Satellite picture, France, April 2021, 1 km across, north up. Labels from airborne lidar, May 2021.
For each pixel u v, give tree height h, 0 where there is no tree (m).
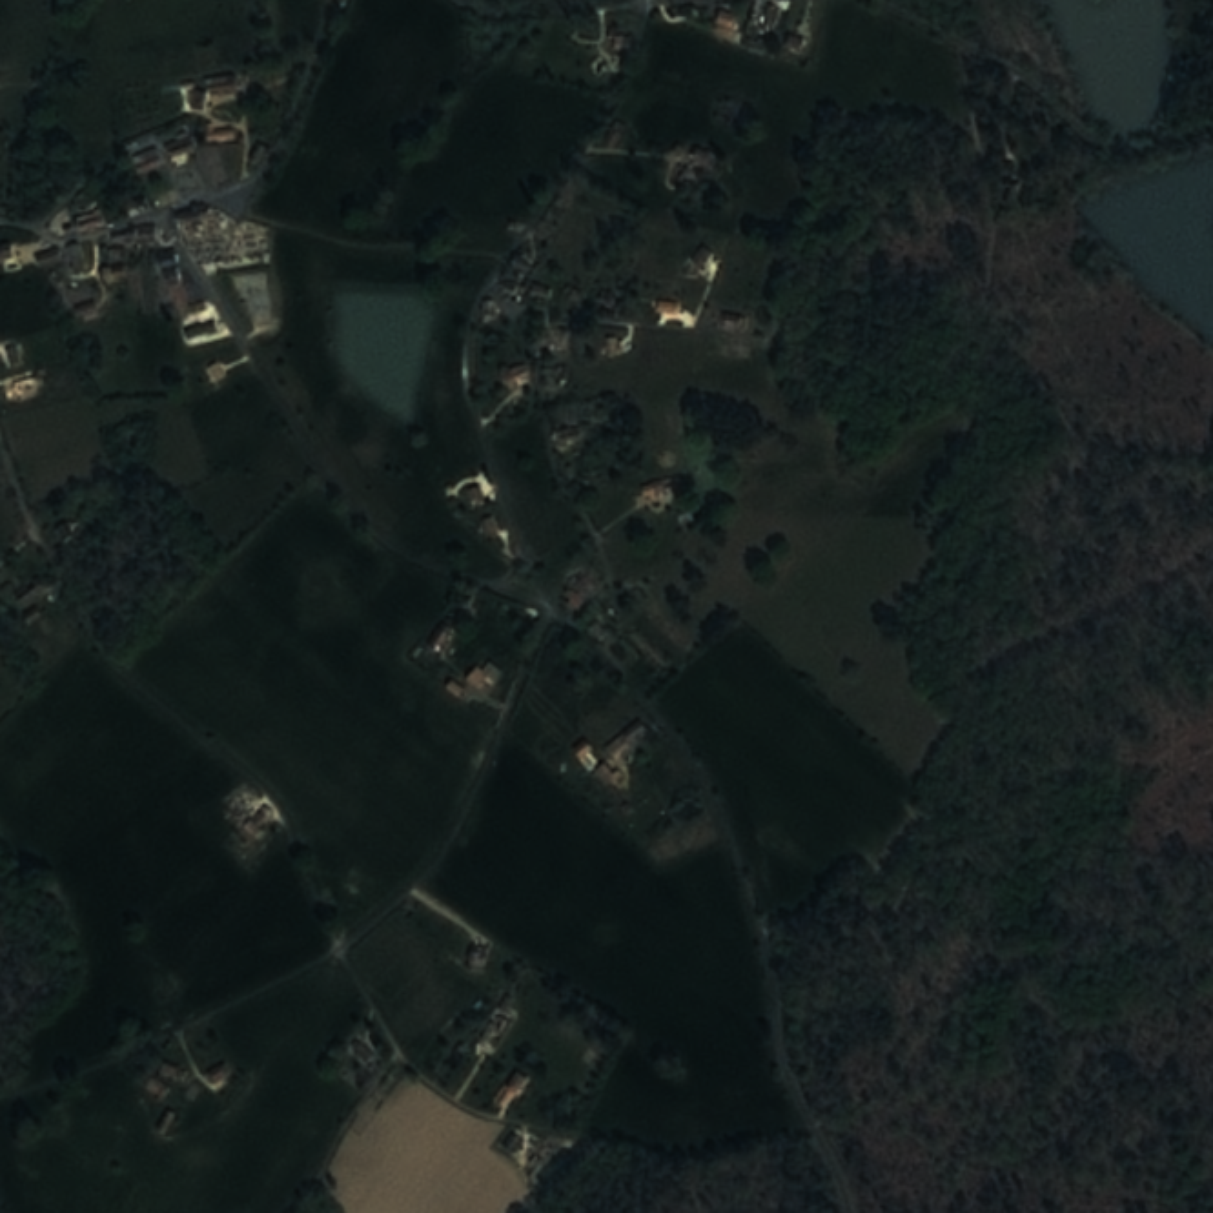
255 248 0
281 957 0
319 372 0
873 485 0
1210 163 0
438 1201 0
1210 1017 12
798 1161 19
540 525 0
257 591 0
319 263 0
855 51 0
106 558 18
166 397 6
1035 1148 5
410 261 0
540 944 0
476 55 0
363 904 0
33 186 18
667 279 0
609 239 18
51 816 0
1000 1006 17
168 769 0
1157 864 9
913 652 11
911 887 10
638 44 14
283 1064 0
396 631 0
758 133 18
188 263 0
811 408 22
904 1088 9
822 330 7
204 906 0
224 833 0
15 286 0
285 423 7
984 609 20
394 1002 0
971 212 14
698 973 0
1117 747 16
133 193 7
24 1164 0
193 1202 0
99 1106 0
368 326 0
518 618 10
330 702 0
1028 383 19
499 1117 0
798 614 0
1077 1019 15
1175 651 19
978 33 19
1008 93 18
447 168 0
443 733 0
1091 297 14
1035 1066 17
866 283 12
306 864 13
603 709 0
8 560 6
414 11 0
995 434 19
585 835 0
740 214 0
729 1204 17
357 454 0
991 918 13
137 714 0
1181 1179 11
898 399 23
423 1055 0
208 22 0
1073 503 12
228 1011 0
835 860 0
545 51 0
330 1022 0
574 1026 19
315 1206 15
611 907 0
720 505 16
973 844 21
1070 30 0
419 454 0
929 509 12
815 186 18
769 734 0
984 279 15
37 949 18
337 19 17
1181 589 18
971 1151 15
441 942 0
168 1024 0
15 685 10
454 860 0
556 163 0
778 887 0
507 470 0
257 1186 0
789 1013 9
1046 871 24
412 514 0
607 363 0
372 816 0
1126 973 16
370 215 25
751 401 0
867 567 0
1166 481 15
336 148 0
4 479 8
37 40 0
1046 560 13
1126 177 13
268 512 6
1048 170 14
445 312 0
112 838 0
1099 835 24
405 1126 0
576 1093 10
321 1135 0
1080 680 17
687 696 0
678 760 0
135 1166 0
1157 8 0
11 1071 19
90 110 0
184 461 0
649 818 0
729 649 0
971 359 19
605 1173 20
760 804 0
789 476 0
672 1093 0
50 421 0
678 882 0
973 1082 8
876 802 0
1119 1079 22
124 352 7
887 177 23
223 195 0
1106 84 0
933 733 0
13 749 0
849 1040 17
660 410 0
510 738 0
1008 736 16
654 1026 0
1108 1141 12
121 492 17
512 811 0
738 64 0
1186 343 0
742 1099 0
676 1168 20
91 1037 0
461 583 12
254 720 0
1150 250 0
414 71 0
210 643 0
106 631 19
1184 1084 22
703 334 0
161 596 14
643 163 0
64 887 0
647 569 0
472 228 0
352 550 0
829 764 0
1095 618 9
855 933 13
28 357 0
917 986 8
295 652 0
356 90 0
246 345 0
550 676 0
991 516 19
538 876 0
